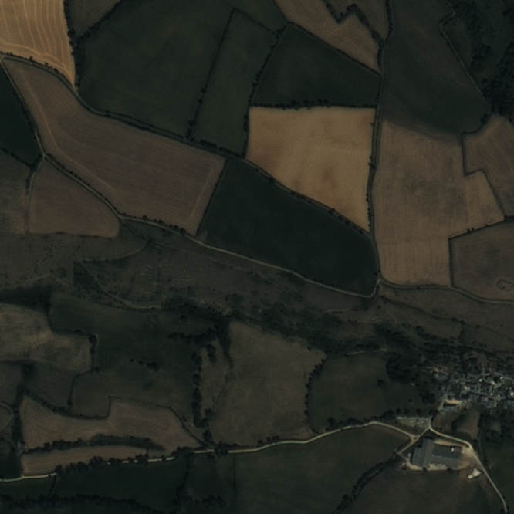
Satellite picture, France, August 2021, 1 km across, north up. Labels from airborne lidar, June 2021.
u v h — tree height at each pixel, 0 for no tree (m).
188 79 0
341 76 0
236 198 0
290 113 0
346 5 0
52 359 0
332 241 0
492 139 0
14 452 13
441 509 0
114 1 0
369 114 0
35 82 0
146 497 0
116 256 0
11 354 0
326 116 0
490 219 0
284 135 0
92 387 0
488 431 7
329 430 7
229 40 0
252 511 0
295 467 0
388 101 0
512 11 14
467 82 0
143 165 0
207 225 0
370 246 0
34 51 0
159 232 0
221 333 16
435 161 0
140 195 0
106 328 0
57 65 0
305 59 0
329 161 0
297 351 0
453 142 0
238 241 0
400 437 0
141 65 0
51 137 0
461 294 0
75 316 0
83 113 0
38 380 0
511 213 0
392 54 0
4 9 0
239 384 0
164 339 0
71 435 0
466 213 0
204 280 0
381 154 0
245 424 0
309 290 0
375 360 0
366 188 0
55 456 0
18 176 0
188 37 0
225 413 0
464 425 0
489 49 14
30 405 0
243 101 0
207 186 0
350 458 0
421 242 0
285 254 0
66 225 0
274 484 0
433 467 0
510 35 0
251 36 0
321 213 0
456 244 0
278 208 0
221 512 0
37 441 0
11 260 0
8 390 0
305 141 0
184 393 0
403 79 0
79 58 13
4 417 0
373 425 0
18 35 0
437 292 0
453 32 0
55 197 0
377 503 0
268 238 0
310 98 0
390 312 0
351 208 0
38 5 0
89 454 0
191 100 0
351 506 0
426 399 12
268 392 0
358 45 0
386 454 0
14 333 0
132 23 0
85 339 0
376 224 0
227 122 0
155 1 0
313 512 0
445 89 0
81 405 0
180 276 0
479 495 0
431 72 0
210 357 11
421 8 0
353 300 0
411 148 0
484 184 0
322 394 0
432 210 0
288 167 0
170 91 0
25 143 0
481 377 6
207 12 0
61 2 0
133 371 0
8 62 0
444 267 0
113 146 0
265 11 0
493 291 0
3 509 0
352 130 0
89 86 0
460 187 0
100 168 0
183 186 0
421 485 0
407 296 0
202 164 0
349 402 0
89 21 0
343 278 0
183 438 0
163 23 0
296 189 0
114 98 0
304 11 0
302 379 0
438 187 0
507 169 0
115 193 0
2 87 0
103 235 0
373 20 0
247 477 0
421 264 0
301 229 0
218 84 0
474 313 0
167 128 0
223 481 0
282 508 0
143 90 0
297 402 0
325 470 0
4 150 9
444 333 0
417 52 0
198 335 0
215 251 0
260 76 10
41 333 0
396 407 0
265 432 0
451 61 0
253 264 0
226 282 0
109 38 0
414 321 0
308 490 0
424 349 7
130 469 0
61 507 25
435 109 0
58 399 0
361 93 0
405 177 0
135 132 0
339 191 0
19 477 0
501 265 0
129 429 0
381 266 0
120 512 0
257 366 0
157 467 0
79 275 10
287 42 0
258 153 0
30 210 0
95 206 0
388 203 0
